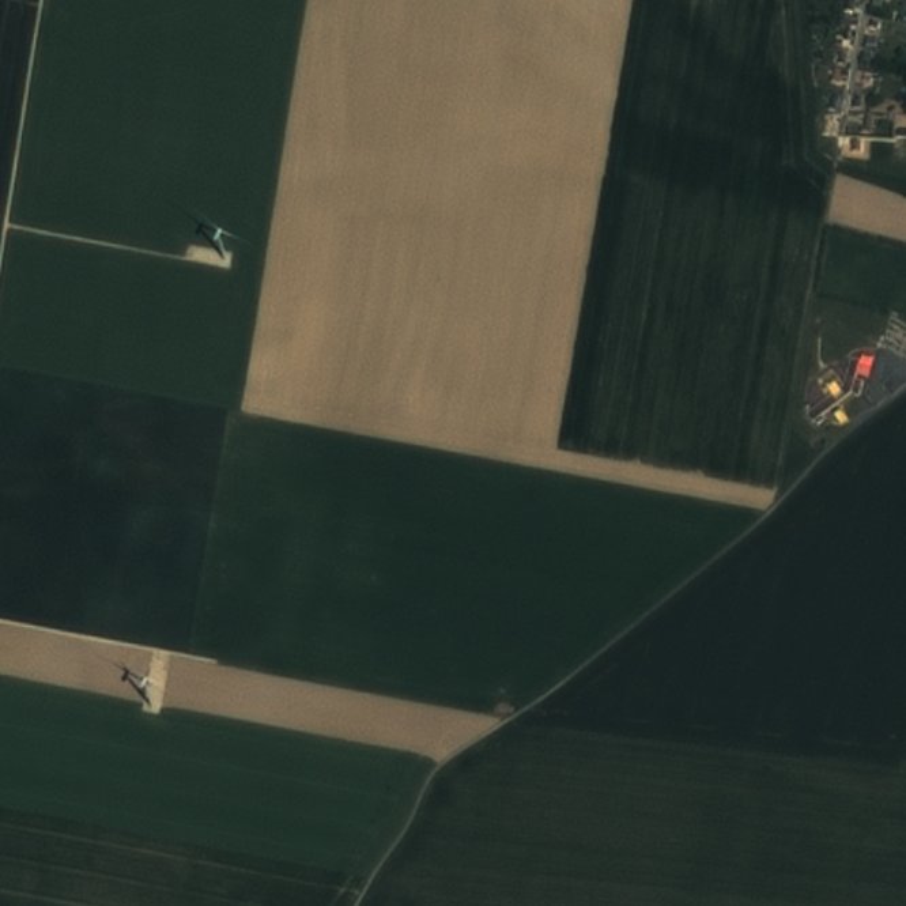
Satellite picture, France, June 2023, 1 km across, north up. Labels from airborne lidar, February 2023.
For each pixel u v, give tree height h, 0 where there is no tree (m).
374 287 0
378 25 0
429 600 0
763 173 0
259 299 0
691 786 0
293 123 0
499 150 0
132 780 0
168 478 0
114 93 0
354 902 0
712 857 0
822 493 0
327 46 0
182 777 0
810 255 0
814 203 0
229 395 0
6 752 0
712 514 0
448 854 0
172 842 0
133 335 0
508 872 0
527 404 0
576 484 0
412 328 0
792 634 0
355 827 0
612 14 0
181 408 0
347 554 0
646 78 0
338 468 0
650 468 0
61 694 0
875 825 0
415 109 0
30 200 0
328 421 0
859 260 0
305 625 0
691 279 0
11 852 0
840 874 0
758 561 0
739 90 0
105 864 0
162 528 0
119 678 0
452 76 0
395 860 0
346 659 0
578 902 0
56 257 0
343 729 0
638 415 0
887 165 0
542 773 0
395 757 0
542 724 0
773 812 0
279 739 0
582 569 0
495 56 0
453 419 0
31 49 0
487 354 0
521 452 0
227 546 0
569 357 0
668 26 0
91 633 0
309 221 0
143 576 0
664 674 0
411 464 0
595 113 0
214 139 0
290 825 0
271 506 0
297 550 0
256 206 0
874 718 0
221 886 0
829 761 0
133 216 0
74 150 0
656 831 0
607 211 0
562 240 0
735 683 0
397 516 0
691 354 0
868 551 0
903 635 0
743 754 0
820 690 0
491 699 0
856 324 0
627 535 0
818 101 0
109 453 0
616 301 0
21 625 0
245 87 0
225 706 0
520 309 0
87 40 0
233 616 0
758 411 0
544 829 0
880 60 12
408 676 0
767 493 0
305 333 0
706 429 0
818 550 0
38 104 0
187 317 0
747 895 0
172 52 0
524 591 0
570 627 0
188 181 0
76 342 0
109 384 0
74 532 0
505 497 0
